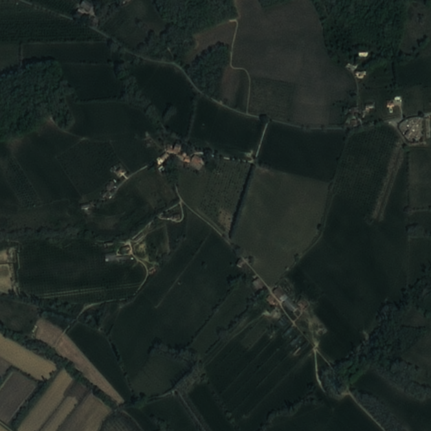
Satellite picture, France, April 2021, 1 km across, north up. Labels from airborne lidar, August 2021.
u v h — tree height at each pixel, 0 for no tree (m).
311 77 0
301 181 0
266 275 0
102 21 6
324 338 0
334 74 0
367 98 0
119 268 0
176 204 11
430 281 6
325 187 0
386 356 26
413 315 0
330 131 0
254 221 0
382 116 0
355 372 15
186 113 0
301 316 0
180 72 0
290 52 0
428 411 0
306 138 0
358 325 0
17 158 0
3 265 0
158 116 12
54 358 15
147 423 0
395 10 21
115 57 0
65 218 0
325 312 0
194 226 0
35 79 24
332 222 0
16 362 0
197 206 0
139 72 0
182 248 0
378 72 0
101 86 0
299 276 0
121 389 0
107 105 0
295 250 0
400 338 14
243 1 0
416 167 0
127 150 0
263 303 16
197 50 0
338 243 0
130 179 0
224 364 0
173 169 8
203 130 0
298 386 0
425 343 0
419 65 0
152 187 0
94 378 0
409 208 13
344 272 0
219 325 0
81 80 0
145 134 0
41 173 0
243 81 0
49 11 6
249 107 0
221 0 18
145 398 20
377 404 21
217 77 15
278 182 0
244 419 0
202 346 0
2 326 13
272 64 0
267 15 0
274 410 7
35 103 18
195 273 0
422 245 0
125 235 8
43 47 0
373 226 0
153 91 0
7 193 0
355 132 10
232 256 0
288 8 0
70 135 0
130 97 18
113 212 0
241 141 0
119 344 0
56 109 18
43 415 0
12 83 22
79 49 0
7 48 0
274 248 0
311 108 0
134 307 0
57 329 0
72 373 14
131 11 0
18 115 20
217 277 0
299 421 0
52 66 18
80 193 0
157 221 11
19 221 0
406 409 0
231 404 0
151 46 22
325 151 0
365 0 19
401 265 0
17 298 29
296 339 0
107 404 14
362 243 0
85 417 0
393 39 12
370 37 13
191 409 30
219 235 0
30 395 0
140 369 0
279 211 0
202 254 0
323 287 0
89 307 0
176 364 0
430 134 0
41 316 15
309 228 0
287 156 0
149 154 0
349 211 0
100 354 0
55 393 0
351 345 0
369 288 0
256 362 0
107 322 0
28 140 0
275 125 0
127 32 0
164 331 0
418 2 0
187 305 0
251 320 0
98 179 0
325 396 0
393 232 0
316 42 0
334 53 11
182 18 17
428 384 0
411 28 0
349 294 0
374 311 0
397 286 0
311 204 0
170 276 0
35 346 18
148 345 0
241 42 0
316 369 0
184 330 0
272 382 0
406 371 21
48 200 0
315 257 0
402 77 0
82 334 0
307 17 0
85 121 0
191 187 0
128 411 0
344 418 0
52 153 0
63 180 0
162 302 0
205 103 0
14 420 8
